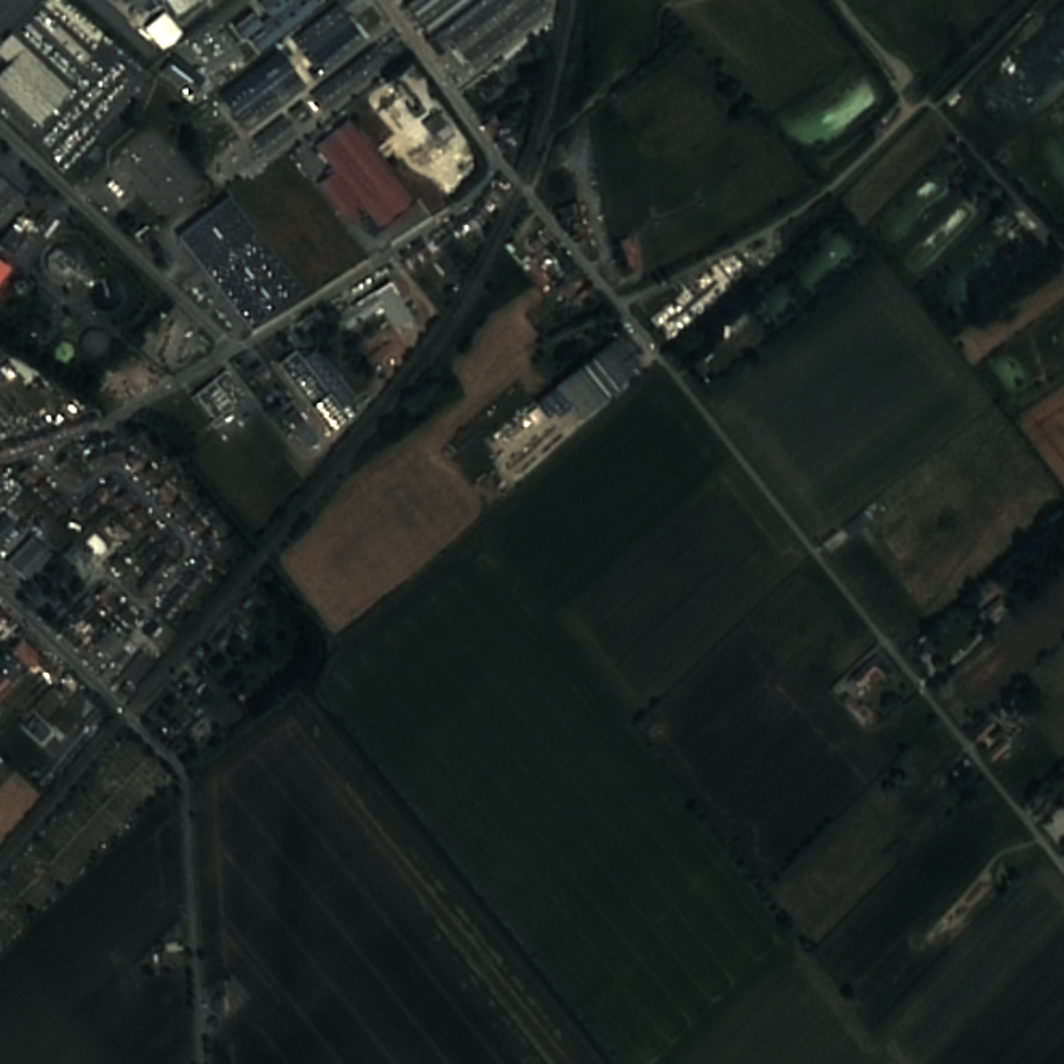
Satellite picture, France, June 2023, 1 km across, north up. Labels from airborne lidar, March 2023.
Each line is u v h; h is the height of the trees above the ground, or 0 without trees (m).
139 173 0
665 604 0
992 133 0
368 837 0
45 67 0
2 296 0
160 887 0
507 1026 0
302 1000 0
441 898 0
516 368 0
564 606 0
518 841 0
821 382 0
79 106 0
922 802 0
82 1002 0
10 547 0
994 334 0
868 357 0
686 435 0
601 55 0
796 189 0
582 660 0
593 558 0
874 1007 0
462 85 0
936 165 0
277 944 0
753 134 0
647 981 0
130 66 0
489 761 0
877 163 0
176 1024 0
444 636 0
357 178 0
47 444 0
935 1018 0
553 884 0
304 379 0
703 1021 0
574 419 0
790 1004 0
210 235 0
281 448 0
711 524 0
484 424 0
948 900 0
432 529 0
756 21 0
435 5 0
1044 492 0
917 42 0
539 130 0
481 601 0
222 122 0
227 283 0
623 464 0
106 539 0
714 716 0
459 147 0
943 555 0
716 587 0
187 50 0
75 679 0
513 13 0
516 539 0
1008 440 0
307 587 0
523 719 0
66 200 0
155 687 0
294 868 0
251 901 0
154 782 0
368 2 0
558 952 0
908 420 0
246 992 0
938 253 0
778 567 0
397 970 0
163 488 0
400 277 0
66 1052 0
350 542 0
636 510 0
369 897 0
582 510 0
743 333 0
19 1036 0
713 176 0
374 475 0
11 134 0
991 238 0
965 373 0
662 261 0
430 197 0
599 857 0
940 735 0
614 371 0
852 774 0
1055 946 0
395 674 0
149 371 0
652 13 0
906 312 0
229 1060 0
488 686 0
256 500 0
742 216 0
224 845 0
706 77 0
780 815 0
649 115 0
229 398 0
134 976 0
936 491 0
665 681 0
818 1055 0
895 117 0
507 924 0
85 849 0
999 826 0
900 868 0
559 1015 0
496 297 0
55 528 0
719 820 0
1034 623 0
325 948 0
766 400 0
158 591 0
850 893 0
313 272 0
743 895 0
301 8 0
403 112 0
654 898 0
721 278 0
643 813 0
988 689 0
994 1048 0
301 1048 0
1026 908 0
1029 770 0
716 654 0
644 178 0
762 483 0
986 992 0
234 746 0
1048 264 25
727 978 0
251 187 0
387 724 0
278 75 0
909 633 0
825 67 0
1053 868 0
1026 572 17
